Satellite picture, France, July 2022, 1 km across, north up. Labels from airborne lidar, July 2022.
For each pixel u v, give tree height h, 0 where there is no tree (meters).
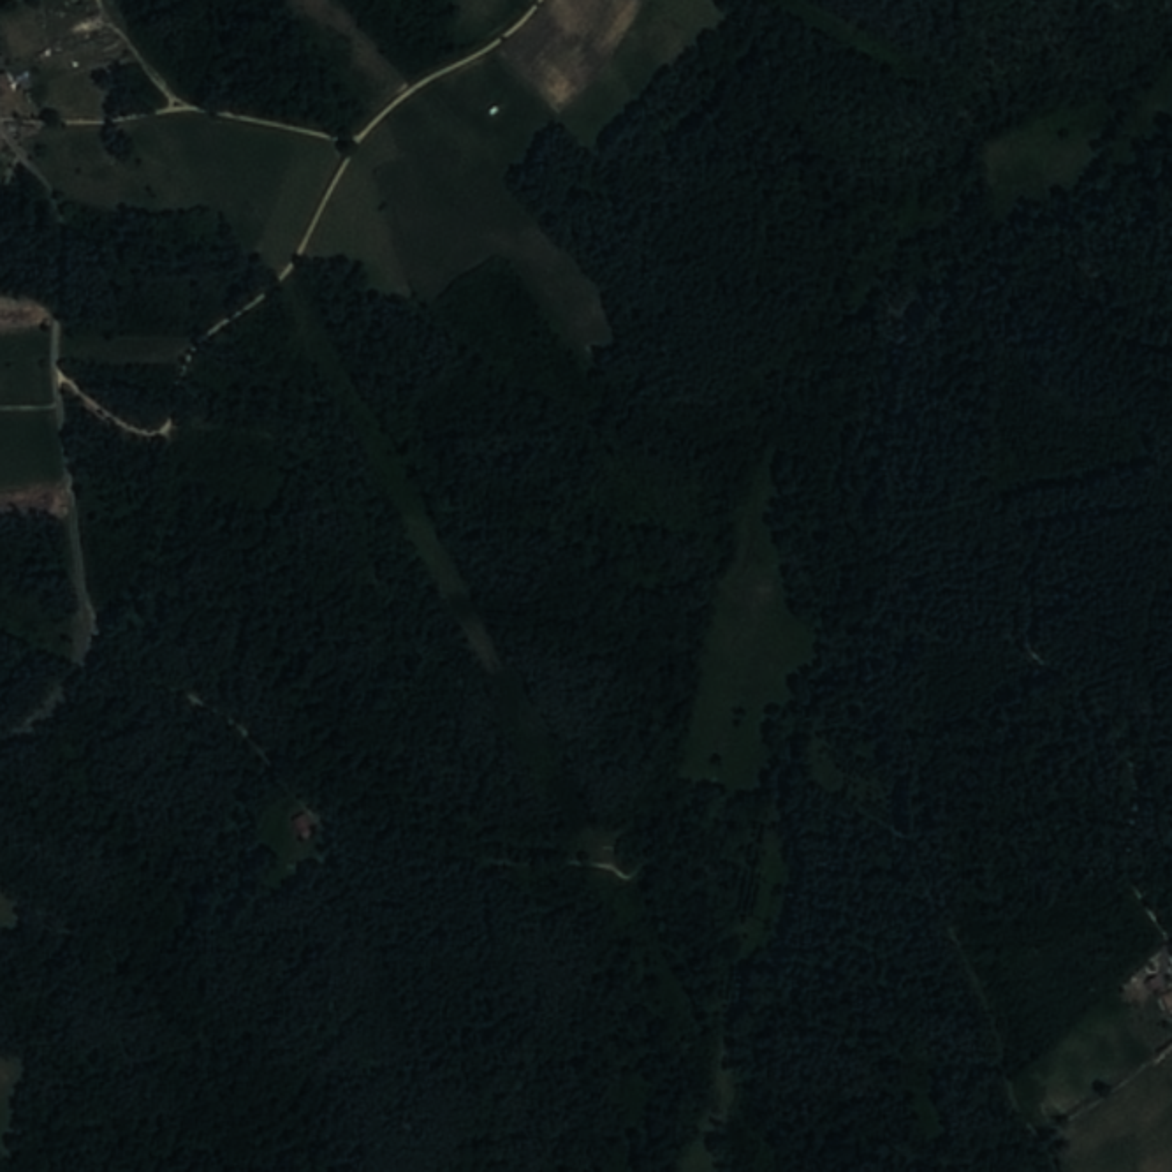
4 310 0
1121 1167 0
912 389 23
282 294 14
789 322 23
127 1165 22
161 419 18
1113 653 27
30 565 16
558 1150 25
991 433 23
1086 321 24
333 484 14
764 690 0
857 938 18
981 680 8
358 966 22
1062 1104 0
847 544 23
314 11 0
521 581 17
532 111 0
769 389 24
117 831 17
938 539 27
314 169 0
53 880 16
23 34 0
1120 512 29
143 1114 20
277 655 25
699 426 15
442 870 29
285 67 20
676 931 17
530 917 25
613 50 0
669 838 25
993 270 21
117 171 0
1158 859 11
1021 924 13
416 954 25
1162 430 22
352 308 24
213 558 23
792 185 23
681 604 17
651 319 20
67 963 25
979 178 18
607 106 0
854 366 14
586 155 18
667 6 0
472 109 0
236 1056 22
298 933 22
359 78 0
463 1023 20
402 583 13
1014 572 19
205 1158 20
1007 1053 7
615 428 10
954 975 22
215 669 19
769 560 0
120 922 19
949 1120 24
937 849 27
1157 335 25
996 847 7
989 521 27
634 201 23
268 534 17
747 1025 25
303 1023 27
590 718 22
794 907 19
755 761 0
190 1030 19
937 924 25
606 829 7
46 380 0
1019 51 20
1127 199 26
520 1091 9
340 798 19
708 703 0
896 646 27
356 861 25
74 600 22
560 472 25
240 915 26
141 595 24
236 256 16
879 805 6
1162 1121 0
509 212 0
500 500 20
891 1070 21
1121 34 14
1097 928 6
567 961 24
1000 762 19
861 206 7
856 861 20
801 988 29
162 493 18
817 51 22
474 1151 29
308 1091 18
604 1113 21
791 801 29
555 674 20
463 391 11
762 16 17
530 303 10
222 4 6
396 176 0
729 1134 10
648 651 19
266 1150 17
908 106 25
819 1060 27
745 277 29
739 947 19
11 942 20
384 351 24
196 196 0
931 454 33
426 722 16
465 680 21
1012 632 17
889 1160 23
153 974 18
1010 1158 22
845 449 25
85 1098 21
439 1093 24
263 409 23
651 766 19
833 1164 26
